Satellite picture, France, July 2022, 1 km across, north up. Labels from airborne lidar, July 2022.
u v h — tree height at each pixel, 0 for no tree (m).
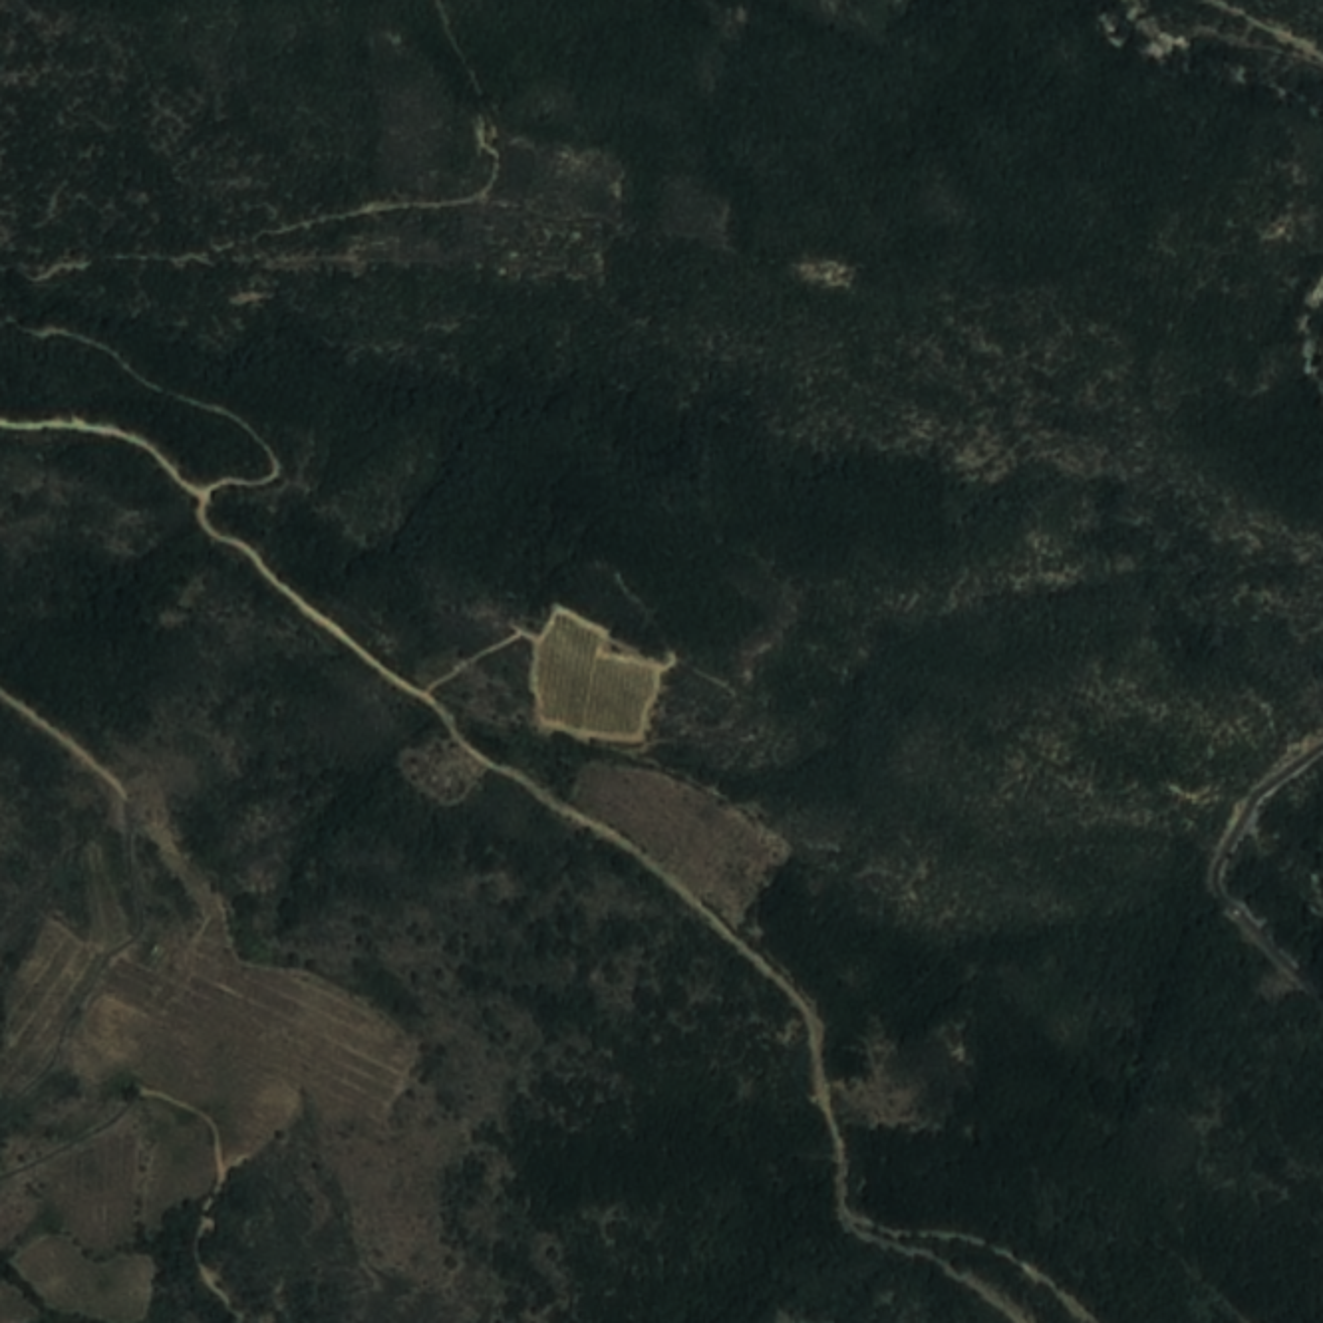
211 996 0
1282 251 7
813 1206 14
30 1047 0
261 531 8
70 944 0
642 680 0
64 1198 0
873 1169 11
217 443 6
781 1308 7
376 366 8
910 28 7
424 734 7
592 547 9
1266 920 6
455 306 8
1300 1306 19
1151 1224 8
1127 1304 7
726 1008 8
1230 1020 12
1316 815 10
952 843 6
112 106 7
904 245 5
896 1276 8
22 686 7
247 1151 0
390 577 8
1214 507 5
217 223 8
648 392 10
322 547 12
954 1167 18
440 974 7
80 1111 0
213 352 9
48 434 6
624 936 8
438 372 9
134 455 7
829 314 6
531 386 13
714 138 8
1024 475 11
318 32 6
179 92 7
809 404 7
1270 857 5
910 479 11
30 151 8
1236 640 7
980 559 5
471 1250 6
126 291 9
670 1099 12
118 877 0
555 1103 7
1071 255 6
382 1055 0
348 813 9
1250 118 6
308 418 10
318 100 6
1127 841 6
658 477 12
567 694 0
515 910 8
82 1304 0
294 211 7
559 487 8
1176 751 7
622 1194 8
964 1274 11
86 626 7
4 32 6
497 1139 9
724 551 6
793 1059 7
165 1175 0
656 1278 10
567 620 0
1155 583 8
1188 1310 7
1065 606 9
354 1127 0
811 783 6
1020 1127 16
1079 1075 11
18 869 6
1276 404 7
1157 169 6
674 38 7
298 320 11
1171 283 6
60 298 7
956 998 8
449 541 7
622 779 0
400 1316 0
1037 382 6
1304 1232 9
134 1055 0
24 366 6
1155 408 6
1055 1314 6
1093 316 8
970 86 8
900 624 6
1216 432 11
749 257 8
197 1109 0
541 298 9
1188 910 10
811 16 7
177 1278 7
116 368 9
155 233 8
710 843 0
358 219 7
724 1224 10
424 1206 0
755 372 7
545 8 7
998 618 7
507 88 7
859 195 7
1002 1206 12
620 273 6
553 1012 7
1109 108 8
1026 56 8
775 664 9
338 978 0
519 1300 6
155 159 5
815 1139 7
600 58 11
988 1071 10
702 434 7
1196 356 7
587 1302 9
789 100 6
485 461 8
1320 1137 9
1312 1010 11
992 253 7
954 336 6
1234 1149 8
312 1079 0
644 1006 8
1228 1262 9
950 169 7
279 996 0
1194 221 7
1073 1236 10
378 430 8
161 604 9
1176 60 19
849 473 13
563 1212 10
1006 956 17
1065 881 8
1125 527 7
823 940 14
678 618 7
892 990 8
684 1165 17
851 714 7
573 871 7
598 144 6
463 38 8
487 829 7
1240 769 7
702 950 8
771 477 10
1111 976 13
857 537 6
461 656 6
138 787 0
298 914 10
